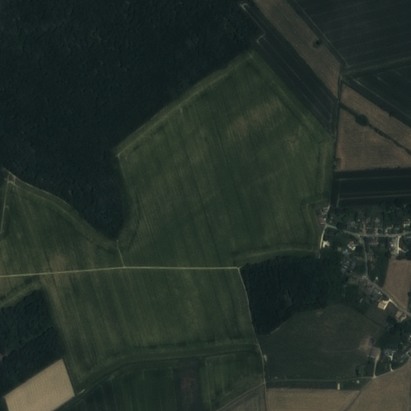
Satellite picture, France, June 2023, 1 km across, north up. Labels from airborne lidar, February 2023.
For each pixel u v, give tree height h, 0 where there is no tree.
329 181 0
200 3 23
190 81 18
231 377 0
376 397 0
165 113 0
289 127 0
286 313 12
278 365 0
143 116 23
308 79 0
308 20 0
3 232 0
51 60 19
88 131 24
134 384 0
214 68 18
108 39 16
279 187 0
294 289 25
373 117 0
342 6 0
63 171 28
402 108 0
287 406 0
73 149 26
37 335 25
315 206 0
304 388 0
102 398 0
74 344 0
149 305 0
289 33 0
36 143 24
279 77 0
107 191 26
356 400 0
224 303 0
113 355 0
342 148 0
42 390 0
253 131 0
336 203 0
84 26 19
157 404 0
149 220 0
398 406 0
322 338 0
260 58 0
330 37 0
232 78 0
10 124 24
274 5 0
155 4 13
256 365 0
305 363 0
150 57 20
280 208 0
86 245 0
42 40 18
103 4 17
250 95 0
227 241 0
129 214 0
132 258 0
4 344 25
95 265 0
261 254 0
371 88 0
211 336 0
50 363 11
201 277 0
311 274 24
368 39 0
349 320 0
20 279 0
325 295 18
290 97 0
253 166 0
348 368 0
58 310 0
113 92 22
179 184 0
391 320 15
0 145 28
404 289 0
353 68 0
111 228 20
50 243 0
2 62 22
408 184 0
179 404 0
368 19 0
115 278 0
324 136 0
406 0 0
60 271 0
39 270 0
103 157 22
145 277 0
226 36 18
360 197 0
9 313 21
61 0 19
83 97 22
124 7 16
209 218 0
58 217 0
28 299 17
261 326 16
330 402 0
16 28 16
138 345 0
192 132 0
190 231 0
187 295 0
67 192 24
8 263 0
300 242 0
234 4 16
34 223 0
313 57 0
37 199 0
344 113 0
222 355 0
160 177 0
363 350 0
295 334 0
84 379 0
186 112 0
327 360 0
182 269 0
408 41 0
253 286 16
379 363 0
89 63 22
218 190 0
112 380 0
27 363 16
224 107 0
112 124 23
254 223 0
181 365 0
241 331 0
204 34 12
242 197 0
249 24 17
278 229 0
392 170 0
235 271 0
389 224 0
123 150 0
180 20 20
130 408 0
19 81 21
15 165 23
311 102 0
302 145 0
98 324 0
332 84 0
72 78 22
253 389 0
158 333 0
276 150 0
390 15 0
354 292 0
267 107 0
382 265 0
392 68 0
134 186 0
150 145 0
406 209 7
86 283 0
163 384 0
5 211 0
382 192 0
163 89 24
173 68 21
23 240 0
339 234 10
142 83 24
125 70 18
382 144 0
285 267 21
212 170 0
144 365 0
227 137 0
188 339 0
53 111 20
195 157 0
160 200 0
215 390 0
